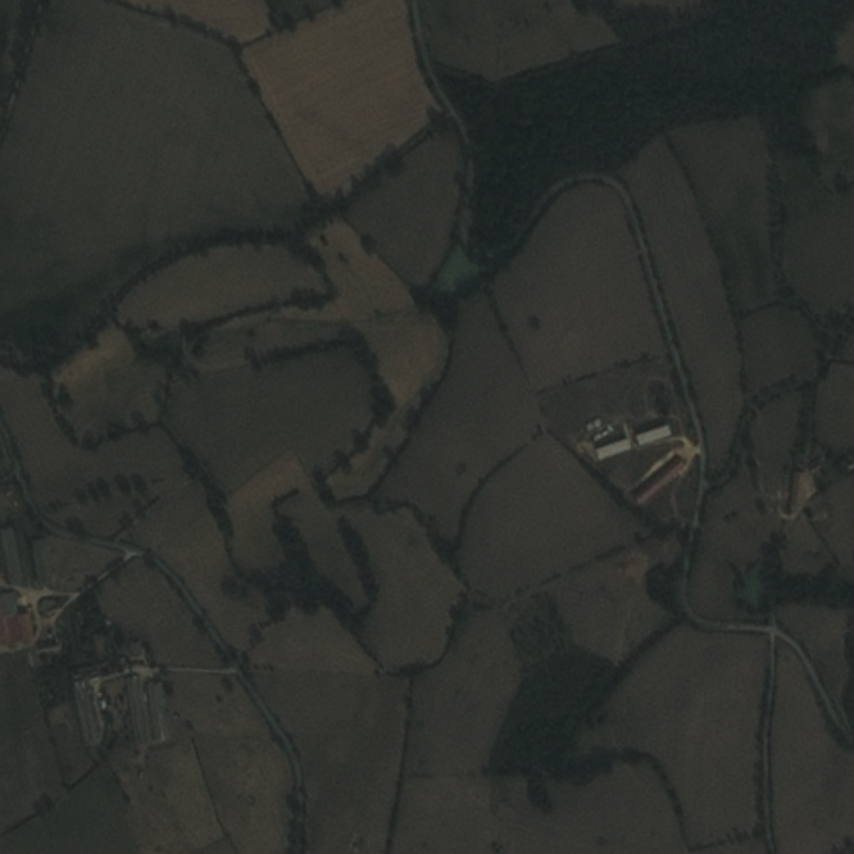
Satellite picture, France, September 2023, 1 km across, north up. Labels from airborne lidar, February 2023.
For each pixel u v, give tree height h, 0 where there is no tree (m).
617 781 0
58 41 0
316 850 0
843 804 0
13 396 0
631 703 0
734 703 0
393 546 0
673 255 0
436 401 0
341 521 7
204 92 0
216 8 0
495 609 0
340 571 0
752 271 0
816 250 0
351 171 0
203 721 0
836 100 0
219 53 0
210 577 0
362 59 0
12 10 0
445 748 0
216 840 0
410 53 0
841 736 13
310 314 0
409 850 0
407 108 0
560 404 0
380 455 0
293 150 0
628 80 19
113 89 0
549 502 0
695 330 0
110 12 0
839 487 0
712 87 21
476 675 0
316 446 0
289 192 0
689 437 0
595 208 0
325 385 0
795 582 15
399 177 0
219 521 12
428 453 0
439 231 0
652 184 0
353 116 0
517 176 17
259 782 0
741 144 0
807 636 0
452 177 0
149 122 0
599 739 0
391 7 0
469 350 0
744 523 0
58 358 20
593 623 0
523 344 0
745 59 10
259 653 0
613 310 0
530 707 0
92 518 0
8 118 12
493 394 0
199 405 0
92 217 0
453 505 0
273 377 0
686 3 0
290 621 0
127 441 0
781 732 0
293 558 16
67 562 0
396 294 0
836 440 0
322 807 0
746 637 0
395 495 0
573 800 0
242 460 0
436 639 0
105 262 0
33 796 0
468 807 0
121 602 0
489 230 16
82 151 0
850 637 9
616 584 0
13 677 0
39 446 0
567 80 9
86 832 0
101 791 0
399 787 5
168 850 0
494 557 0
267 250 0
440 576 0
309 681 0
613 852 0
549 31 0
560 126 23
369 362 20
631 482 0
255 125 0
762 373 0
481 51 0
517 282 0
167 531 0
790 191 0
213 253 0
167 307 0
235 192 0
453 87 7
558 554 0
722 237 0
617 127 15
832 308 0
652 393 6
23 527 0
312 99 0
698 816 0
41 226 0
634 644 0
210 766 0
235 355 0
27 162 0
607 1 25
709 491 6
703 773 0
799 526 0
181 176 0
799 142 24
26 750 0
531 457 0
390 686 0
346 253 0
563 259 0
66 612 0
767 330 0
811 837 0
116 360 0
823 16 23
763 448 0
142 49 0
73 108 0
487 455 0
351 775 0
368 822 0
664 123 10
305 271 0
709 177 0
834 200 0
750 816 0
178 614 0
